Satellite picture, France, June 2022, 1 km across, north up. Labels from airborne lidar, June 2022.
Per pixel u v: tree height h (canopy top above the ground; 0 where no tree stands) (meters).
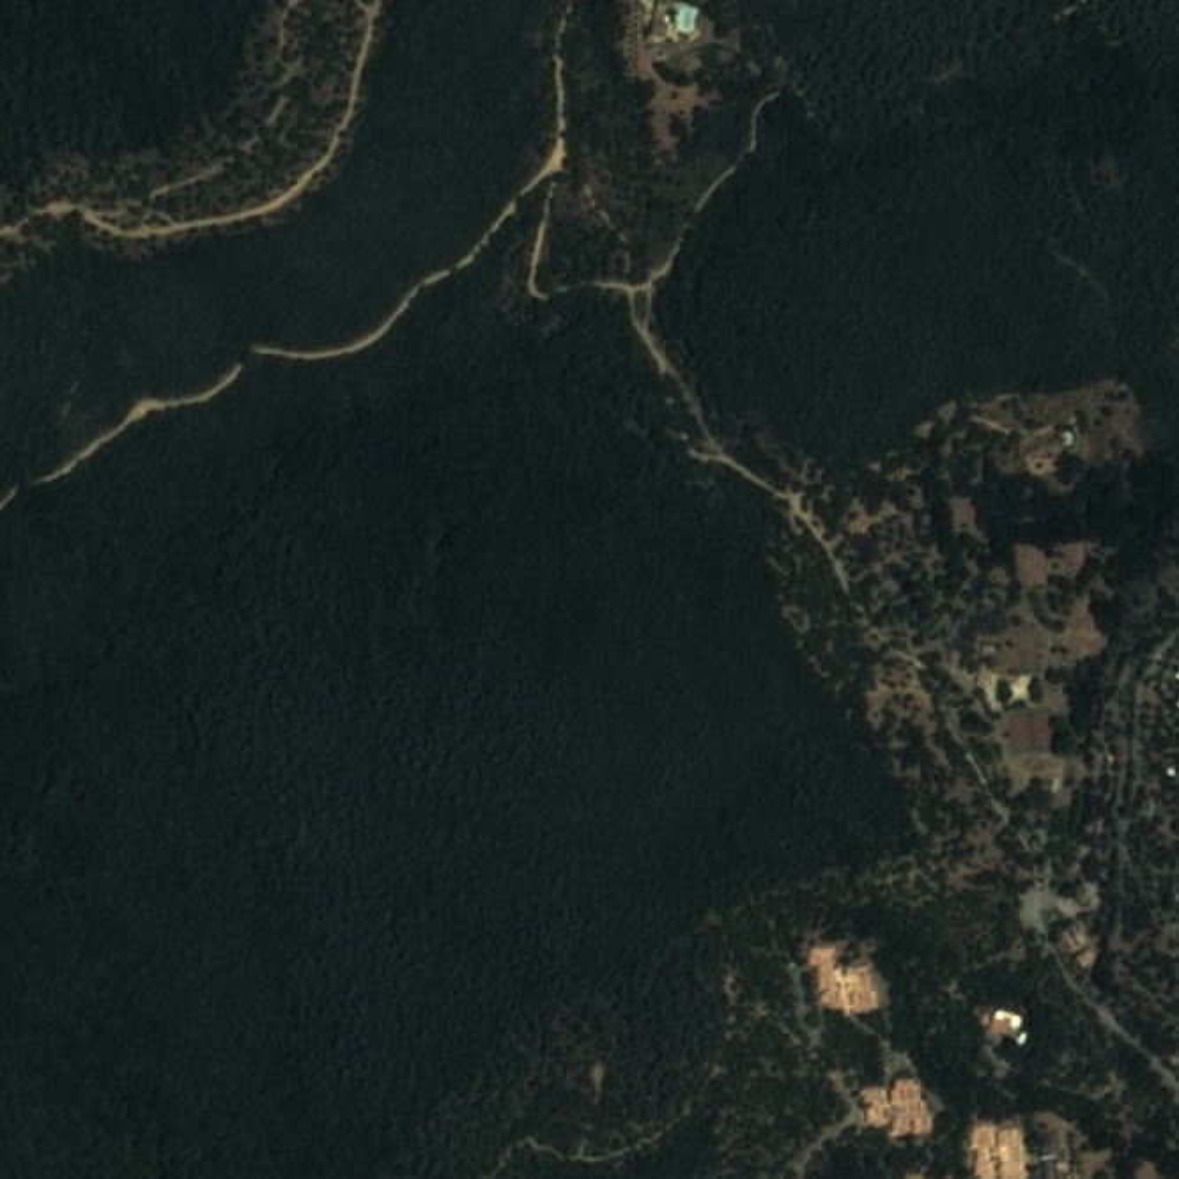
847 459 9
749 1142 9
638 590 7
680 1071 9
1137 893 7
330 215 8
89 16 10
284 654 13
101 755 7
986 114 15
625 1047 10
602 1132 7
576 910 10
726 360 10
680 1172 7
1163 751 6
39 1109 13
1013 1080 11
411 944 9
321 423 11
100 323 7
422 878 10
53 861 9
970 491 14
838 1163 9
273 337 6
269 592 12
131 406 6
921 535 7
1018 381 8
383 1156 6
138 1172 16
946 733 8
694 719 8
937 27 14
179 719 17
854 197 10
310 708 8
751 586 6
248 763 6
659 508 7
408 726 11
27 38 12
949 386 7
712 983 8
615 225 7
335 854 11
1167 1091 11
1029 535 14
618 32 7
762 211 13
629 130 9
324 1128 6
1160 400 7
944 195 10
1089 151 14
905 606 7
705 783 8
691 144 10
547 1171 8
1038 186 14
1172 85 16
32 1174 14
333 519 6
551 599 7
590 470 9
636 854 8
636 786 6
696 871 9
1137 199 13
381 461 6
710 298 12
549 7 6
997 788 8
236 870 11
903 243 12
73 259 7
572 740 6
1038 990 7
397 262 12
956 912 5
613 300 7
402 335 7
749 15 8
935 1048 7
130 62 8
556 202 9
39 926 14
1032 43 16
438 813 6
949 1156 10
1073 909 0
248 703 11
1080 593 6
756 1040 9
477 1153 7
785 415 5
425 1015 7
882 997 0
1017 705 7
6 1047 13
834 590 8
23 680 6
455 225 7
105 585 9
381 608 10
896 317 9
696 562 8
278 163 9
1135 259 15
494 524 7
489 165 11
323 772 9
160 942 7
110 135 12
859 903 7
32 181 8
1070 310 7
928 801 8
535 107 6
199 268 7
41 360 6
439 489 12
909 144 13
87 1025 9
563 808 7
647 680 8
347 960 7
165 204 7
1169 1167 12
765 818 7
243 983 10
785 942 6
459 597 8
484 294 7
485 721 12
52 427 7
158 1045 8
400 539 8
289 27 6
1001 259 10
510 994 10
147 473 8
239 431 7
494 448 9
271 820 9
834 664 10
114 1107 12
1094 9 12
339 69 7
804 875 6
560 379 10
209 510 9
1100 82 10
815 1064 6
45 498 12
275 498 12
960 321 9
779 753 8
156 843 7
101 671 13
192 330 6
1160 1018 7
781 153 8
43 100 7
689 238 10
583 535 7
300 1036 10
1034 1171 14
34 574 9
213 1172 10
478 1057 8
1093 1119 9
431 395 8
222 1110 10
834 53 13
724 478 8
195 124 7
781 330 10
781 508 7
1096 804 9
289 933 9
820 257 6
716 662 8
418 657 6
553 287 9
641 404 15
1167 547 8
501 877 10
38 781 14
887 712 7
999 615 15
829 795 16
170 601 10
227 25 7
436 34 7
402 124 6
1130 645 6
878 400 9
